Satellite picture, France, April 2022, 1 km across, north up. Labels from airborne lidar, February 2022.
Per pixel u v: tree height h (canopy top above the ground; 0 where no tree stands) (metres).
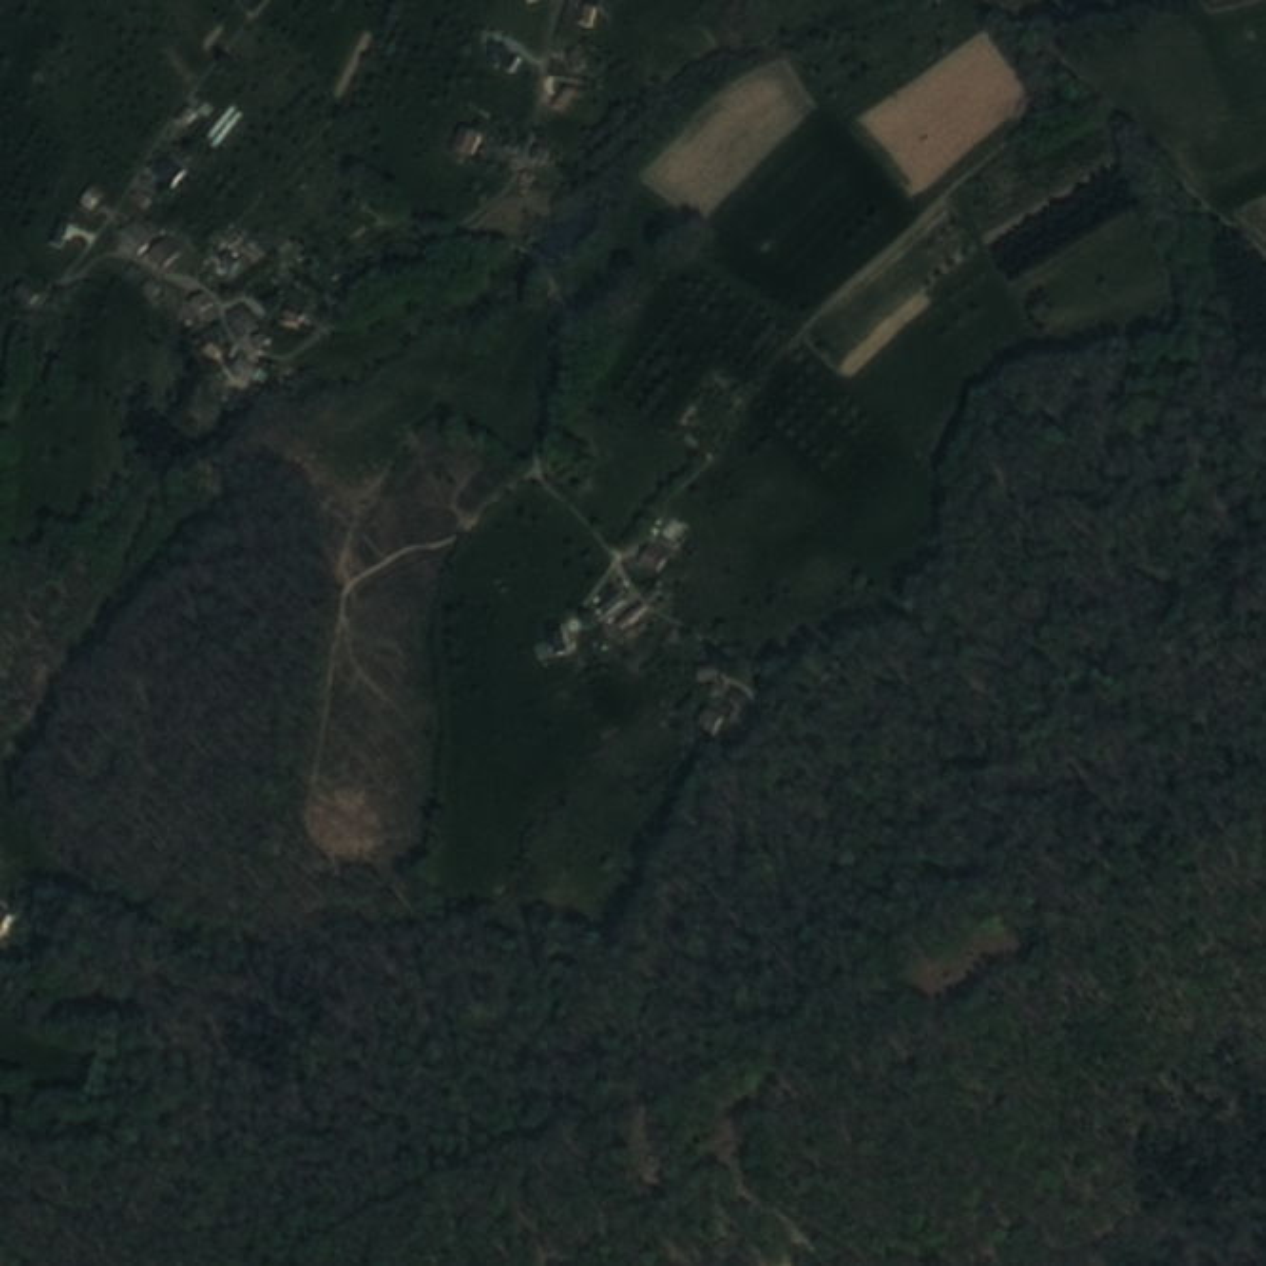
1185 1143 26
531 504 0
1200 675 32
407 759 0
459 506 0
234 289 9
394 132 0
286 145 0
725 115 0
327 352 0
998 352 0
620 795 0
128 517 23
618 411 0
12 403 16
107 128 0
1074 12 23
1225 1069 24
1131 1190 26
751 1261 27
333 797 0
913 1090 23
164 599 29
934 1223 19
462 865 0
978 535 32
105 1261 31
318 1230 24
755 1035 25
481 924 25
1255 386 33
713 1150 0
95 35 0
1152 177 31
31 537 0
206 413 0
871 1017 28
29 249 0
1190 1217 25
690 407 0
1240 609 27
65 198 0
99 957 31
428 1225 28
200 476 29
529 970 32
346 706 0
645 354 0
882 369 0
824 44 11
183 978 36
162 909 27
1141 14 34
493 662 0
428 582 0
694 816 22
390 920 29
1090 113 25
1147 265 0
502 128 8
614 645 0
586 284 0
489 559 0
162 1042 29
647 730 0
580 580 0
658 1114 30
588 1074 30
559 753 0
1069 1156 23
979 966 0
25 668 29
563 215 17
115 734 0
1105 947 26
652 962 34
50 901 24
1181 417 33
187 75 0
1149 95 0
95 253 0
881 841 32
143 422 10
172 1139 33
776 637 0
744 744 12
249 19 0
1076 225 14
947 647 31
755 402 0
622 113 14
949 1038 29
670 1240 30
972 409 20
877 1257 25
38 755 25
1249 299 20
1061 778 32
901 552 0
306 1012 23
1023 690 32
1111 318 0
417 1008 32
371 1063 30
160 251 0
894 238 0
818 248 0
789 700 30
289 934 29
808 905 33
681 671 9
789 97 0
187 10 0
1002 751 29
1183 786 29
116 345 0
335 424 0
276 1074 30
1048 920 23
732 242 0
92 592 30
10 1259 29
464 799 0
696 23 0
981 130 0
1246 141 0
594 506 0
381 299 22
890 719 30
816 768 33
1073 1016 26
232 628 28
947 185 0
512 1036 31
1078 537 30
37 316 10
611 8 0
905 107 0
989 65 0
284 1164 32
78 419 0
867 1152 25
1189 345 30
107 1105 21
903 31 0
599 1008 38
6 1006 0
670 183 0
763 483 0
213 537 29
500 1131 25
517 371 0
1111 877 26
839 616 0
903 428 0
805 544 0
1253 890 23
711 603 0
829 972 27
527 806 0
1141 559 31
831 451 0
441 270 26
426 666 0
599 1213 32
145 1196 34
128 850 0
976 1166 19
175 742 0
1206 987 27
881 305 0
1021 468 33
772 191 0
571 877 0
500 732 0
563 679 0
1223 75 0
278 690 30
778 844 29
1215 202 0
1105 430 32
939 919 28
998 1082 23
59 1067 0
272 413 29
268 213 0
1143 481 26
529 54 0
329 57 0
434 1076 32
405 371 0
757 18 0
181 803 0
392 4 8
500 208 0
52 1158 31
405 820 0
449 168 0
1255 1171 30
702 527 0
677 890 32
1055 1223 25
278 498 30
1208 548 28
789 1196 23
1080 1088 18
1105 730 30
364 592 0
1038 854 27
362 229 0
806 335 0
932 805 32
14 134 0
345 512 0
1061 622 30
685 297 0
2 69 8
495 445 16
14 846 0
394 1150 28
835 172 0
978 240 0
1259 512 30
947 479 21
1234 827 27
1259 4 0
